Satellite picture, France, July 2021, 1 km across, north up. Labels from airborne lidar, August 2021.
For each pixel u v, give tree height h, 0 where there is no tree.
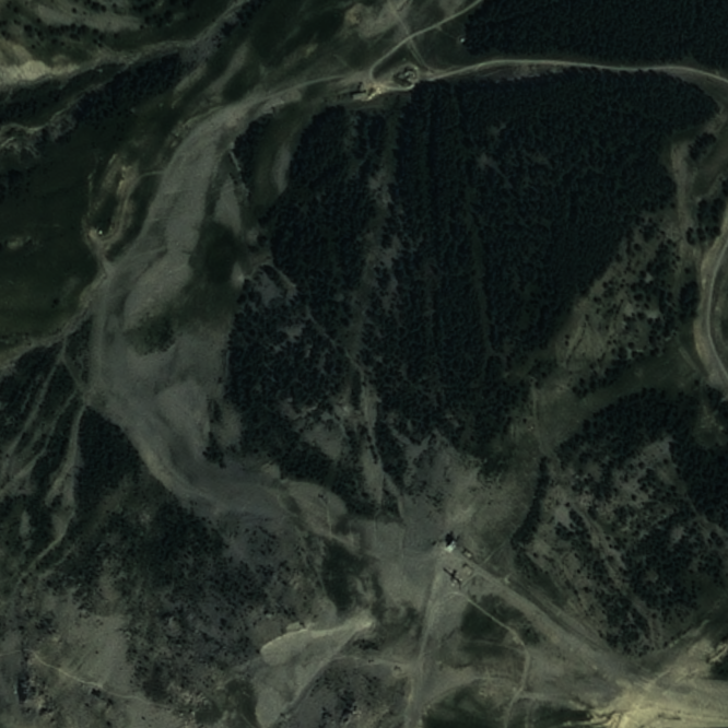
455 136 16
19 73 0
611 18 29
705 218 17
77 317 0
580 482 9
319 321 12
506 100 25
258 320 13
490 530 0
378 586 0
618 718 0
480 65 0
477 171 20
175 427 0
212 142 0
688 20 22
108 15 0
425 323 16
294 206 7
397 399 7
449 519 0
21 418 7
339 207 13
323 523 0
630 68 0
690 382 0
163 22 9
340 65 0
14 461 0
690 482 11
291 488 0
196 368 0
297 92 0
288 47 0
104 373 0
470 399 9
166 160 0
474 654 0
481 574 0
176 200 0
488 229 12
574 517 9
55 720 0
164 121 0
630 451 9
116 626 0
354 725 0
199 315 0
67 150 0
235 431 0
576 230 23
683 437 17
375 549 0
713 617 0
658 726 0
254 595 7
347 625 0
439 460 0
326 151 24
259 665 0
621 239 12
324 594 0
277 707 0
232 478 0
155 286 0
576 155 17
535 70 0
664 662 0
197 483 0
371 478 0
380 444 6
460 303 19
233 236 0
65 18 0
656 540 8
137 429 0
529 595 0
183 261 0
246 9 7
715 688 0
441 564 0
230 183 0
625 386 0
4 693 0
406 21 0
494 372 11
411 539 0
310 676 0
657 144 17
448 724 0
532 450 0
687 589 6
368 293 0
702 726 0
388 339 9
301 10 0
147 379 0
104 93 9
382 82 0
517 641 0
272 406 9
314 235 17
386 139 23
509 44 20
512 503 0
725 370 0
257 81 0
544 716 0
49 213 0
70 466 0
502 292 15
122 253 0
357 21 0
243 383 12
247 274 0
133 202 0
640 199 16
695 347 0
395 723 0
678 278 0
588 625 0
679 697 0
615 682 0
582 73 24
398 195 23
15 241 0
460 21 0
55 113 0
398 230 12
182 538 6
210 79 0
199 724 0
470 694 0
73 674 0
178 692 0
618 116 16
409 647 0
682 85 19
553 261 19
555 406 0
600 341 0
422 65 0
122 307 0
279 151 0
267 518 0
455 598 0
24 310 0
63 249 0
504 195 18
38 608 0
